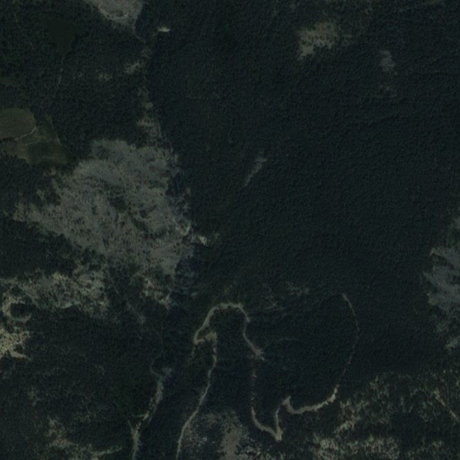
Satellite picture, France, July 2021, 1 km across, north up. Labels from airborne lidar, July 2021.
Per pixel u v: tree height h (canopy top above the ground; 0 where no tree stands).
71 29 0
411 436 19
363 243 15
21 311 17
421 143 7
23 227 21
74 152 12
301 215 10
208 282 10
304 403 6
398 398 14
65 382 7
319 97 21
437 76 10
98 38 17
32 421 10
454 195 8
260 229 13
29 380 18
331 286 8
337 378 15
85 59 11
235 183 11
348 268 12
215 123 9
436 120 17
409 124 17
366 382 14
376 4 7
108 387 8
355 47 11
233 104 15
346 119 16
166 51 19
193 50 7
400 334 10
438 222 10
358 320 15
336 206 19
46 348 10
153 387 12
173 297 10
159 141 11
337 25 7
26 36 7
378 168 16
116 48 14
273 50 10
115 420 11
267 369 16
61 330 15
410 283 12
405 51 13
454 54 7
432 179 15
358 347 15
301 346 19
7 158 12
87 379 17
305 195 14
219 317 17
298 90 15
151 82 25
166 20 20
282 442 15
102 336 20
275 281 12
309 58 14
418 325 8
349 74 18
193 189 16
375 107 11
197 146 14
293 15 9
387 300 8
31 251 20
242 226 10
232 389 21
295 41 12
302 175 18
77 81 13
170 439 14
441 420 24
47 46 6
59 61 12
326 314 13
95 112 12
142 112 9
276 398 17
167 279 18
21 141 0
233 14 21
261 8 14
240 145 12
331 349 16
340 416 8
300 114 16
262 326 7
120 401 7
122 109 16
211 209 7
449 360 13
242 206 13
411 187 10
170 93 16
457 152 14
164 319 9
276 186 15
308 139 14
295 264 17
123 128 14
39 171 10
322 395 7
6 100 12
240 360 21
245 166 13
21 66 12
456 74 12
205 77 11
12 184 8
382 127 16
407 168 13
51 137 0
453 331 14
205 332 13
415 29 13
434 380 13
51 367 12
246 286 14
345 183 14
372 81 14
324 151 15
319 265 11
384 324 10
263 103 8
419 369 13
